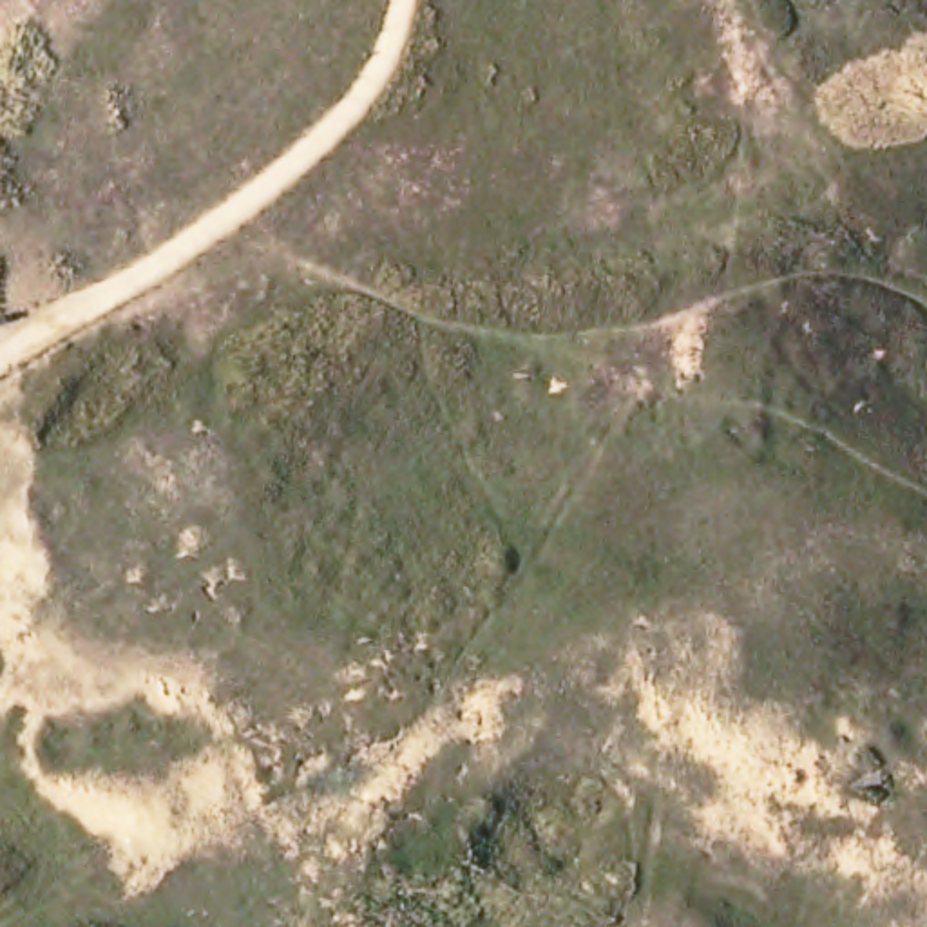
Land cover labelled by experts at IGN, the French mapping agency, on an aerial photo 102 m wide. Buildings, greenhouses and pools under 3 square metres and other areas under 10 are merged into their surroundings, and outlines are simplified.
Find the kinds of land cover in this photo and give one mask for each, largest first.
<instances>
[{"label":"herbaceous vegetation","instance_id":"1","mask_svg":"<svg viewBox=\"0 0 927 927\"><path fill-rule=\"evenodd\" d=\"M101 14L76 29V43L69 54H62V65H47L43 80L22 83V134L11 141L18 152V167L25 170V203L0 199V221L7 225L14 214L25 210L33 217V235L47 239L62 268H69L83 286L130 268L148 253L141 246L138 225L141 206L159 199H185L199 217L221 206L228 196H235L257 174H264L355 87L384 33L391 0H98ZM409 36L384 91L326 156H319L290 188H282L261 210L272 221L275 235L290 243L301 257L351 272L362 282H377L373 293L326 282L308 286L297 272L272 275L261 301L253 297V290L239 293L232 322L206 340V355H199L188 344L185 326L167 319L163 311H156V319H134L127 326H101L94 337L83 340H62L47 369H33L22 377V398L0 409V420L25 427L36 438V427L47 406L58 398L62 384L69 377L83 384L72 416L40 445L33 442L36 471L29 489V514L36 521L40 547L47 550V594L65 612V641H116L138 645L152 655L214 648L217 670L206 677L214 684L210 702L228 713L235 746L250 753L264 800L275 804L297 833L293 858L282 855V844L268 858H246L217 844L210 858L185 855L174 869H167V876L152 891L127 894L123 880L112 873L109 840L87 833L69 811H58L51 800H43L22 775L18 731L25 710L11 706L7 713H0V927H891L920 913L913 891L876 898L873 905H858L862 876H844L833 869L800 876L786 865L779 873H768L750 865L739 847L710 862L706 851L695 847L702 826L677 808L674 793L659 786H645L634 797V808H623L612 782L601 775V739L612 728L608 699L583 692V684H576L569 674V663L554 659L550 648H565L587 634L626 630L630 616L652 612L655 619H674L695 608L717 612L735 626L739 637V695L753 699L757 706L779 702L797 739H808L826 750L836 746V717H847L855 728H865V746L884 750L891 764L905 757L927 771V351H920L923 330L916 315L902 311V322H894L865 301V293H840L836 279H865L927 308V138L891 148H851L818 119L815 91L847 62L880 51H902L913 33H927V0H804L797 33L782 36L764 25V11L757 0H735L742 7V43H768V58L757 62V80H786L793 87V98L779 101L775 109V134H753V127L739 119V109L731 101V72L724 62L721 33L713 25L717 7L724 0H409ZM590 188H605L619 206L616 228L587 225ZM710 293L717 297V308L710 311L702 330V362L692 373L688 387H677L674 340L666 333L637 337L634 322H652L659 315L684 311ZM127 438H141L145 449L167 460L199 445H221L228 453L232 500L206 507H177L174 514L159 518L148 507V492L156 489L152 478L134 474L123 464ZM489 677H521V692L503 695L500 717L525 721L532 713H543L547 724L536 735V742L518 760L500 768L496 786H489L485 779L456 782L460 764L471 757V739L442 746L431 760L420 764L416 782L406 786L398 800H384V833L369 840V855L358 851L348 858H333L330 840L344 822H326L319 833H311V808L322 797L351 793L369 779L366 764L358 760V750L413 731L420 717L435 706L438 681H467L471 688H478V681ZM478 822L500 836L489 869L474 862L471 847V829ZM214 735L203 721L156 713L145 699H130L105 713L80 710L69 717L43 721L36 742L40 764L54 775L101 771L159 782L170 775L177 760L199 757V750ZM891 818V840L898 855L927 869V786H894L887 800H876Z\"/></svg>","mask_w":927,"mask_h":927},{"label":"bare soil","instance_id":"2","mask_svg":"<svg viewBox=\"0 0 927 927\"><path fill-rule=\"evenodd\" d=\"M101 14L98 0H0V199L25 203V170L18 167V152L11 141L22 134V83L43 80L47 65H62V54H69L76 43V29ZM713 25L721 33L724 62L731 72V101L739 109V119L753 127V134H775V109L779 101L793 98V87L786 80H757V62L768 58V43H742V7L735 0H724L717 7ZM818 119L851 148H891L927 138V33H913L902 51H880L847 62L815 91ZM587 225L616 228L619 206L605 188H590ZM199 217L185 199H159L141 206L138 225L141 246L148 253L170 243L188 225H196ZM83 286L69 268H62L47 239L33 235V217L25 210L14 214L7 225L0 221V326L25 322L40 308L58 304L62 297ZM297 272L308 286L326 282L373 293L377 282H362L351 272L301 257L290 243L275 235L272 221L261 210L235 225L228 235L214 239L185 264H177L174 272L116 301L98 319L72 326L65 340H83L94 337L101 326H127L134 319H156V311H163L167 319L185 326L188 344L199 355H206V340L232 322L239 293L253 290V297L261 301L272 275ZM717 308V297L710 293L684 311L659 315L652 322H634L637 337L666 333L674 340L677 387H688L692 373L702 362V330L710 311ZM62 340L40 344L25 358L0 369V409L22 398V377L33 369H47ZM83 384L69 377L62 384L58 398L47 406L36 427V438L25 427L0 420V713H7L11 706L25 710L18 731L22 775L43 800H51L58 811H69L87 833L109 840L112 873L123 880L127 894L152 891L167 876V869H174L185 855L210 858L217 844L246 858H268L282 844V855L293 858L297 833L275 804L264 800L250 753L235 746L228 713L210 702L214 684L206 677L217 670L214 648L152 655L138 645L116 641H65V612L47 594V550L40 547L36 521L29 514V489L36 471L33 442L40 445L72 416ZM130 699H145L156 713L203 721L214 735L199 750V757L177 760L170 775L159 782L101 771L54 775L40 764L36 742L43 721L69 717L80 710L105 713ZM123 464L134 474L152 478L156 489L148 492V507L159 518L174 514L177 507H206L232 500L228 453L221 445H199L167 460L145 449L141 438H127ZM554 659L569 663V674L576 684H583V692L608 699L612 728L601 739V775L612 782L623 808H634V797L645 786H659L674 793L677 808L702 826L695 847L706 851L710 862L739 847L750 865L768 873H779L786 865L800 876L833 869L844 876H862L858 905H873L876 898L913 891L920 913L891 927H927V869L898 855L891 840V818L876 800H887L894 786H927V771L905 757L891 764L884 750L865 746V728H855L847 717H836V746L826 750L808 739H797L779 702L757 706L753 699L739 695V637L735 626L717 612L695 608L674 619H655L652 612L630 616L626 630L587 634L565 648H550ZM521 692V677H489L478 681V688H471L467 681H438L435 706L420 717L413 731L358 750V760L366 764L369 779L351 793L322 797L311 808V833H319L326 822H344L330 840L333 858H348L358 851L369 855V840L384 833V800H398L406 786L416 782L420 764L431 760L442 746L471 739V757L460 764L456 782L485 779L489 786H496L500 768L518 760L536 742V735L547 724L543 713H532L525 721L500 717L503 695Z\"/></svg>","mask_w":927,"mask_h":927},{"label":"pervious surface","instance_id":"3","mask_svg":"<svg viewBox=\"0 0 927 927\"><path fill-rule=\"evenodd\" d=\"M409 0H391L384 33L355 87L264 174H257L235 196H228L221 206L199 217L196 225H188L170 243L148 253L130 268L83 286L62 297L58 304L40 308L25 322L0 326V369L25 358L40 344L62 340H65L72 326L98 319L116 301L174 272L177 264H185L214 239L228 235L235 225L261 210L282 188H290L319 156H326L384 91L409 36Z\"/></svg>","mask_w":927,"mask_h":927},{"label":"brushwood","instance_id":"4","mask_svg":"<svg viewBox=\"0 0 927 927\"><path fill-rule=\"evenodd\" d=\"M764 11V25L782 36L797 33L804 0H757ZM840 293H865V301L894 322H902V311L916 315L923 330L920 351H927V308L865 279H836ZM500 836L478 822L471 829V847L474 862L489 869Z\"/></svg>","mask_w":927,"mask_h":927}]
</instances>
